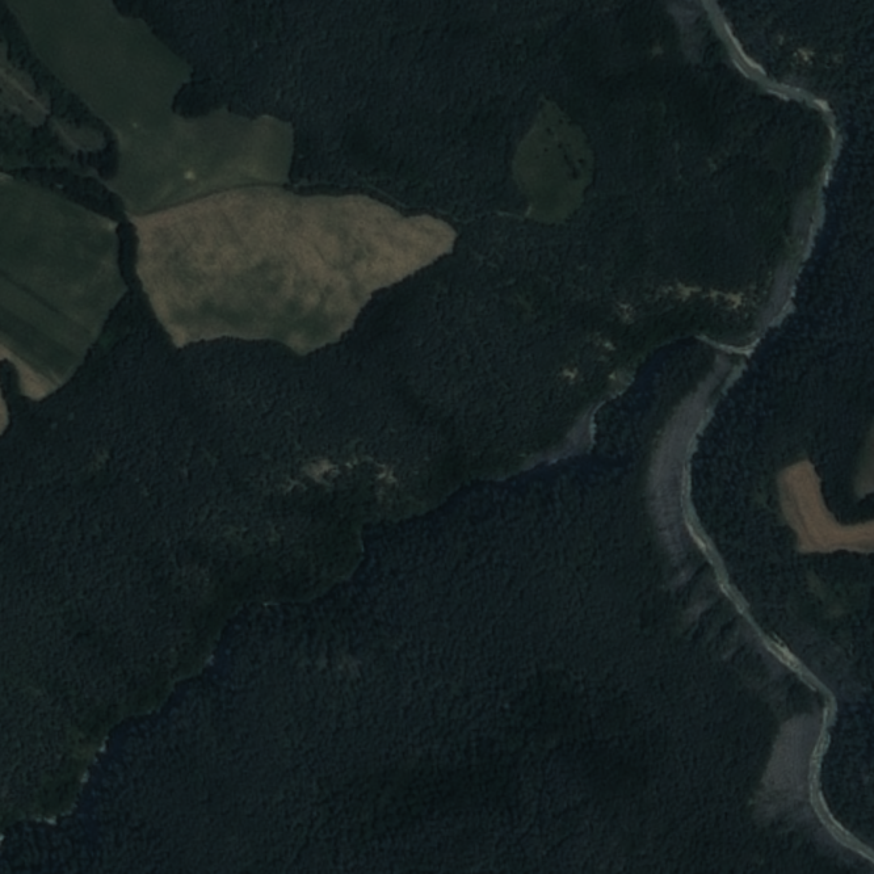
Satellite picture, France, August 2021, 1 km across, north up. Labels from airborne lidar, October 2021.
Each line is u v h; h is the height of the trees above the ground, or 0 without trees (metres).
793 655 0
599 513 9
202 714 8
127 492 14
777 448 14
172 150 0
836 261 11
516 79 11
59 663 10
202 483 11
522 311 8
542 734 21
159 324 14
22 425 17
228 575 15
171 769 17
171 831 14
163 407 15
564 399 13
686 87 10
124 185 0
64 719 13
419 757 14
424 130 11
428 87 12
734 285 9
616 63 10
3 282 0
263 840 12
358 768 18
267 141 0
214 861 14
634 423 7
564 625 10
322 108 8
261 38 7
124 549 17
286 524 10
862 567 15
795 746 0
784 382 11
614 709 23
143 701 13
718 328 11
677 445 0
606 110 11
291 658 9
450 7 13
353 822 16
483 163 10
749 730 16
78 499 13
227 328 0
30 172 15
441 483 17
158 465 12
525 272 10
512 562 17
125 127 0
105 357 10
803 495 0
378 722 15
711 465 13
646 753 15
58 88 10
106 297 0
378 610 16
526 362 12
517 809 16
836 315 11
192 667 7
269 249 0
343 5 9
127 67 0
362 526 6
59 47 0
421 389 7
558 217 0
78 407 10
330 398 14
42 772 16
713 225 9
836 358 17
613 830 12
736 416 10
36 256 0
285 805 12
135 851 14
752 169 6
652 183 11
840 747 7
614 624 15
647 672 14
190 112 11
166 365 13
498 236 6
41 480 11
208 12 11
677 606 7
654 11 10
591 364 11
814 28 10
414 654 12
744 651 8
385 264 0
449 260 17
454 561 15
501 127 10
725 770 12
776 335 13
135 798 15
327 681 12
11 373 14
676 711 12
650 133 12
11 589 8
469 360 7
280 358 16
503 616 13
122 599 13
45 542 15
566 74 9
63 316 0
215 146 0
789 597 12
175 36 13
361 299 0
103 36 0
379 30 9
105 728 9
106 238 0
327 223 0
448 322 9
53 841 20
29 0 0
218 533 8
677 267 8
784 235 6
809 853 9
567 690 6
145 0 12
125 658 15
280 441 10
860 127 7
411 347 10
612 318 6
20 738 11
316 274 0
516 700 14
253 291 0
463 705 16
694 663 14
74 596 13
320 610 15
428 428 14
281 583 9
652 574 12
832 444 15
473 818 17
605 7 7
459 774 16
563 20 11
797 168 9
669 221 8
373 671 10
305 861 15
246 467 13
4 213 0
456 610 11
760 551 7
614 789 17
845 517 13
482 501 15
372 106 9
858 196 18
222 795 14
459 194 10
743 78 21
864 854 0
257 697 11
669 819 15
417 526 14
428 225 0
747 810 19
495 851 13
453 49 14
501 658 17
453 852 15
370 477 9
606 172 12
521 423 10
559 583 9
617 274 6
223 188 0
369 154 12
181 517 13
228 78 7
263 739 10
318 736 14
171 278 0
